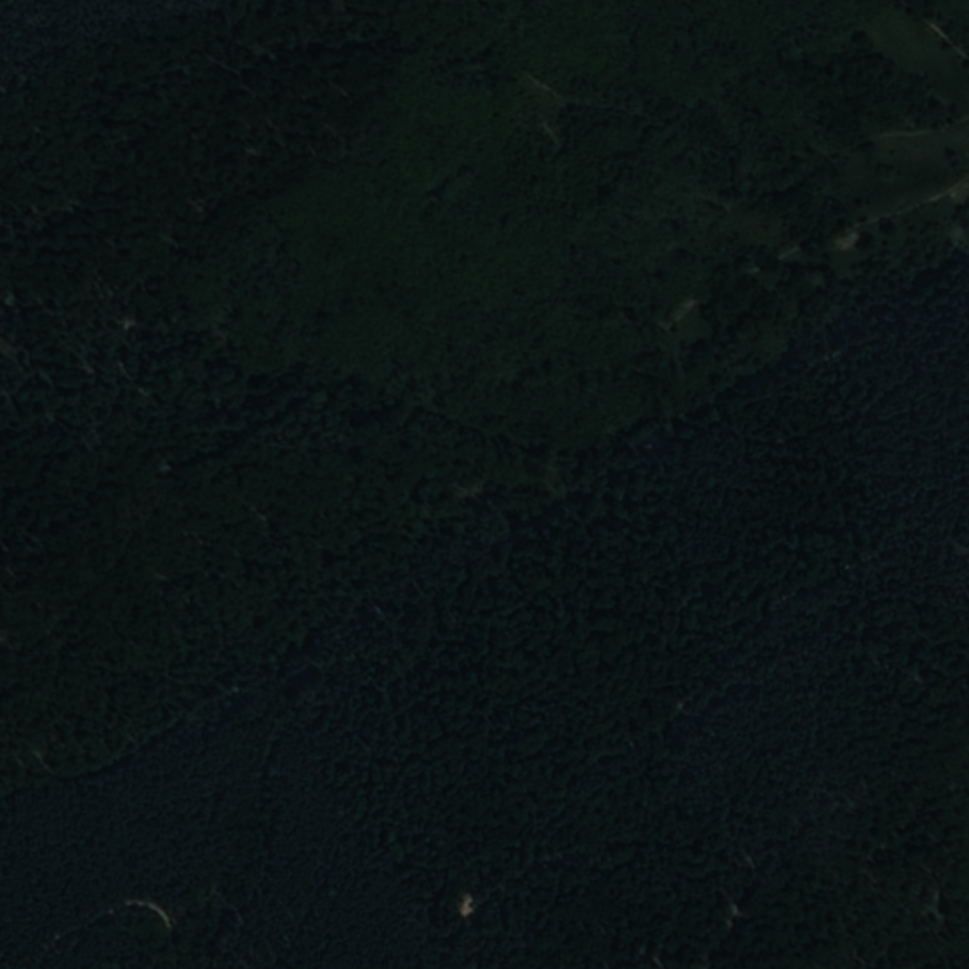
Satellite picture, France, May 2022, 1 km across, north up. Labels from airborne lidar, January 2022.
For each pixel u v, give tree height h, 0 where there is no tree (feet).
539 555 90
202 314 83
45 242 87
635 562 79
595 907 82
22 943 61
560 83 74
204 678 70
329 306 51
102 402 103
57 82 59
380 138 63
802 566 63
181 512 70
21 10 73
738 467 75
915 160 0
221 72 69
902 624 63
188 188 73
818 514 29
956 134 0
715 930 67
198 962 58
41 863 70
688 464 89
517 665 79
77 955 60
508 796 87
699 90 54
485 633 85
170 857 64
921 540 50
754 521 45
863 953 61
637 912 68
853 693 64
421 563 122
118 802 60
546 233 71
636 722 86
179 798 64
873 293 82
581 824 73
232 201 88
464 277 57
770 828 66
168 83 84
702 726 99
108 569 58
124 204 102
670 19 54
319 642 115
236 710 78
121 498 67
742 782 52
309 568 87
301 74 82
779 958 86
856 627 98
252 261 66
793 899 73
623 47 62
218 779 43
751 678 78
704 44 67
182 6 62
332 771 55
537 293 58
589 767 75
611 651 85
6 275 96
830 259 43
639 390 60
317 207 51
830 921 77
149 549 66
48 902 60
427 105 63
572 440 58
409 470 85
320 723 85
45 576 66
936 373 95
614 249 65
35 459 83
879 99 29
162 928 42
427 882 80
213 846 74
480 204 59
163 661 82
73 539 72
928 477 67
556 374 69
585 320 64
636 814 77
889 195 0
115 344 37
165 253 94
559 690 69
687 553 71
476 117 56
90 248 96
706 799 83
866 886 65
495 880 75
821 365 62
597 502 83
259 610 72
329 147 74
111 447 82
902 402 80
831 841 67
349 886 78
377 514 88
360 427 104
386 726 85
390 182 52
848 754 42
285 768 73
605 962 61
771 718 67
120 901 61
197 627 74
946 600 74
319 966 74
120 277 95
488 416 50
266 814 61
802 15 52
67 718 73
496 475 79
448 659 80
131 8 78
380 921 81
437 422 86
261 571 89
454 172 52
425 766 70
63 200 81
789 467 84
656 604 80
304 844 74
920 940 69
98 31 82
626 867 44
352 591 112
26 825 70
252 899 85
